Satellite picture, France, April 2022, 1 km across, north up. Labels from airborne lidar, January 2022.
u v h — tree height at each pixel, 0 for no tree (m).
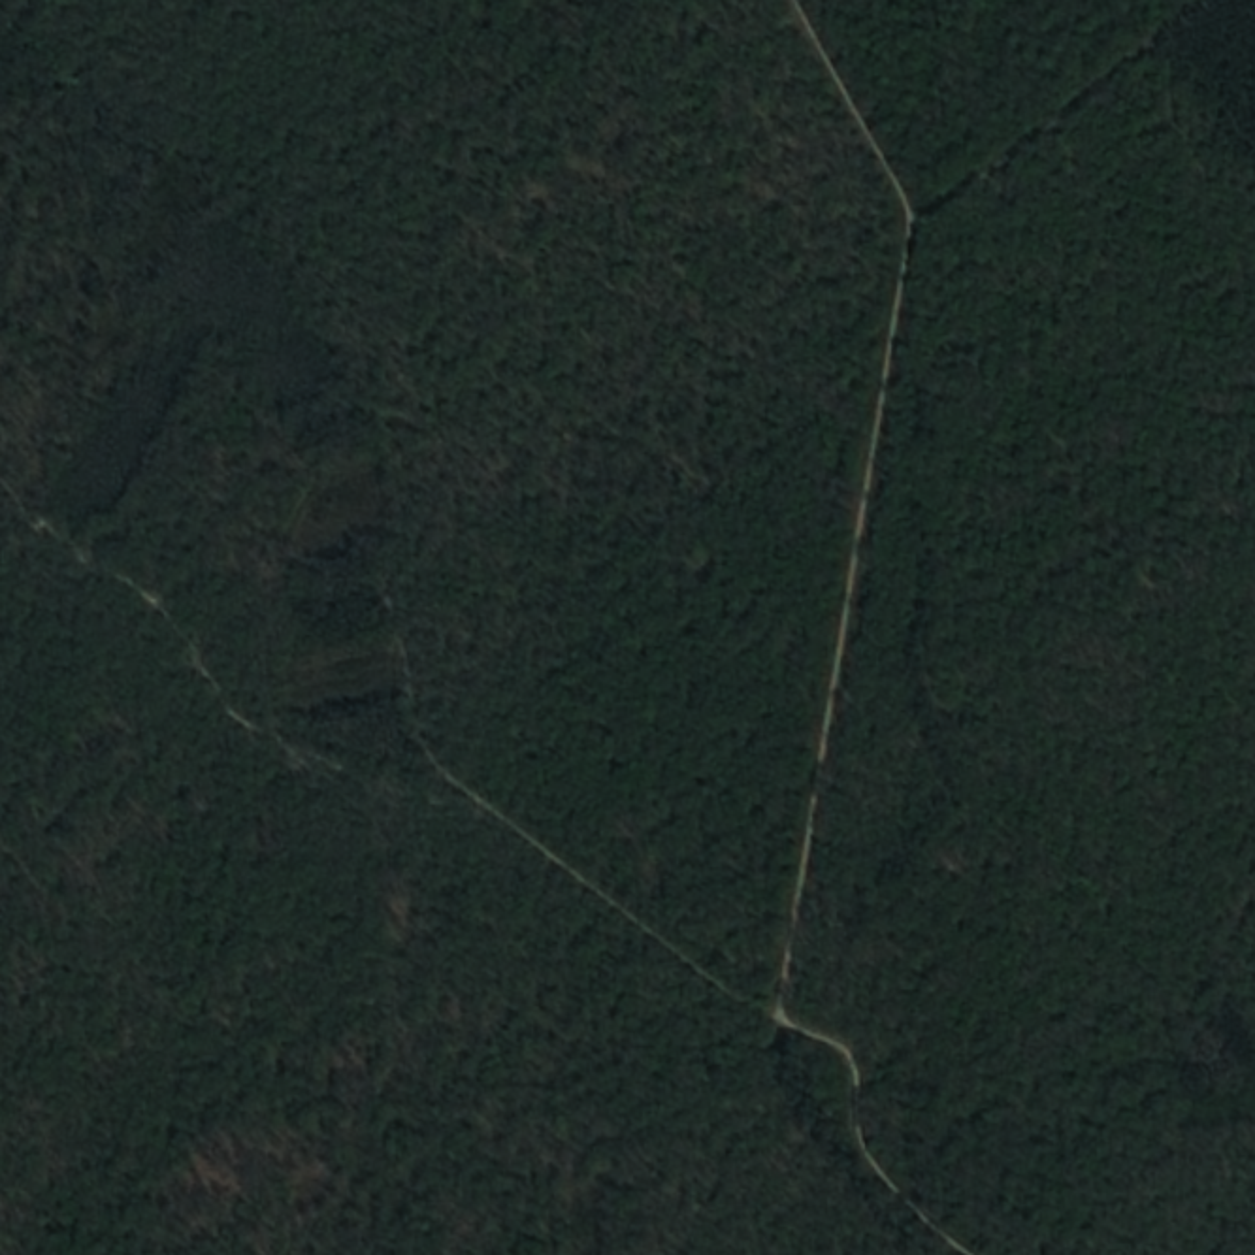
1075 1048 23
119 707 21
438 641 21
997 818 21
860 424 23
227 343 16
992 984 20
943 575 21
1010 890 19
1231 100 20
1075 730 21
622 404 23
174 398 15
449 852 25
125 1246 23
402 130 26
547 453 21
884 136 21
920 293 19
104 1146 24
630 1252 17
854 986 26
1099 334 25
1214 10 19
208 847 24
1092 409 21
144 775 24
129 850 20
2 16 26
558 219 20
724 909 21
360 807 24
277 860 22
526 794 25
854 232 25
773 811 21
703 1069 20
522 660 20
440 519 22
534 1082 21
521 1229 25
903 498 18
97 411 23
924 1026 23
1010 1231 25
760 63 20
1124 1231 22
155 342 20
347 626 18
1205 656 23
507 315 22
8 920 21
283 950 20
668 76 23
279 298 20
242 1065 25
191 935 22
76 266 24
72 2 20
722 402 22
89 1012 25
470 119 23
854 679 17
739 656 20
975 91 22
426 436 21
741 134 26
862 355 22
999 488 24
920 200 16
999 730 17
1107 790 23
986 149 22
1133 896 26
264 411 26
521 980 22
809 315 23
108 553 24
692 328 24
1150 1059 22
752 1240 23
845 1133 13
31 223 25
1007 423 22
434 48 22
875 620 19
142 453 17
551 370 21
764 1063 18
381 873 20
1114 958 25
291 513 24
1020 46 21
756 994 18
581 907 19
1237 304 20
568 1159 26
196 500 22
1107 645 24
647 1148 22
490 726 21
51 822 23
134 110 18
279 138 23
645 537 24
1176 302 24
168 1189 27
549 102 26
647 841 23
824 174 24
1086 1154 24
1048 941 24
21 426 25
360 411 25
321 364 20
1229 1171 22
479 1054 22
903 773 21
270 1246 26
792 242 22
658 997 21
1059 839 26
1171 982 25
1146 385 25
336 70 20
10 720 22
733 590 21
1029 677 20
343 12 20
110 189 23
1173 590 17
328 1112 24
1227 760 26
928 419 23
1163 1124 24
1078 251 21
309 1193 0
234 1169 28
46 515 21
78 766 22
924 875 20
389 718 16
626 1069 20
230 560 26
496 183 23
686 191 21
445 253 21
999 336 21
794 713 20
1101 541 15
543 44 25
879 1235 24
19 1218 26
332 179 25
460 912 22
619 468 23
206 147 28
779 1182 17
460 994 20
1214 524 22
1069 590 23
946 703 22
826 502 22
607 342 24
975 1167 25
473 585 19
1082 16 21
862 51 21
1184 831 23
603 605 24
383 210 22
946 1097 26
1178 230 22
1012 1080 24
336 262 19
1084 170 21
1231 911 22
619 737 23
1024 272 24
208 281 22
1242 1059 21
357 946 24
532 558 25
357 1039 29
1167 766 22
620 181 23
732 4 23
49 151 26
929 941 20
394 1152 20
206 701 20
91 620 22
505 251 23
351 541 0
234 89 21
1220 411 26
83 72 14
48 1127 23
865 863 22
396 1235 22
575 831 19
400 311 22
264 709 25
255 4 23
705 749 21
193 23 24
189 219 22
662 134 27
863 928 24
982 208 23
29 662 22
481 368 22
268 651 21
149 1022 21
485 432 24
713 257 24
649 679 20
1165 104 24
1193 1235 18
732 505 21
